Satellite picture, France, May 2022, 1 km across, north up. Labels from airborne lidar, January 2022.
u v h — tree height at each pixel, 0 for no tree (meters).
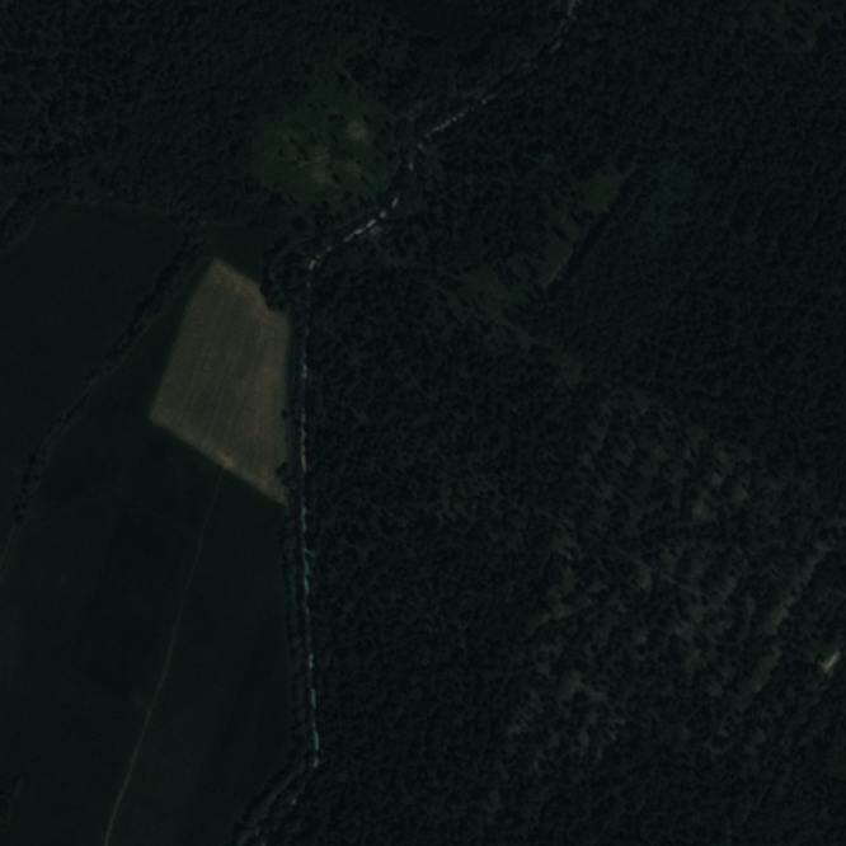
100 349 0
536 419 18
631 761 13
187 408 0
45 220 0
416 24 6
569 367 0
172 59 22
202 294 0
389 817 14
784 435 14
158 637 0
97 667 0
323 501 14
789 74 13
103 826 0
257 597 0
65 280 0
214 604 0
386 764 9
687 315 13
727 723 0
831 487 18
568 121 24
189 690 0
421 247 33
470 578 13
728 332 29
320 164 0
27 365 0
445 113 11
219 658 0
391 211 34
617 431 31
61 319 0
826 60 10
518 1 25
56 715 0
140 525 0
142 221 0
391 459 17
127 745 0
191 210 22
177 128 22
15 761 0
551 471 13
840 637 31
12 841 0
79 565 0
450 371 7
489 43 25
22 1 13
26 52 28
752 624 24
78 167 26
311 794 18
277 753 0
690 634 0
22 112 27
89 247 0
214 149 21
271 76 24
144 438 0
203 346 0
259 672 0
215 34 24
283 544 9
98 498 0
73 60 12
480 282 0
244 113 24
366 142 0
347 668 18
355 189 0
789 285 24
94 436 0
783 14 0
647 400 28
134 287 0
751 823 19
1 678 0
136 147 24
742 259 14
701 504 0
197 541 0
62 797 0
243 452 0
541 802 8
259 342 0
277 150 0
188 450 0
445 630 18
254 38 24
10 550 0
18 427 0
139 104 19
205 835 0
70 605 0
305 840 29
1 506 0
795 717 25
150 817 0
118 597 0
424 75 27
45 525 0
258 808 14
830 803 28
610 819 29
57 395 0
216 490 0
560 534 12
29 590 0
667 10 24
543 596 33
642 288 23
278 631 0
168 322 0
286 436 0
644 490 0
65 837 0
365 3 24
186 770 0
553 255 0
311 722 7
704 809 33
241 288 0
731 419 10
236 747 0
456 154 13
